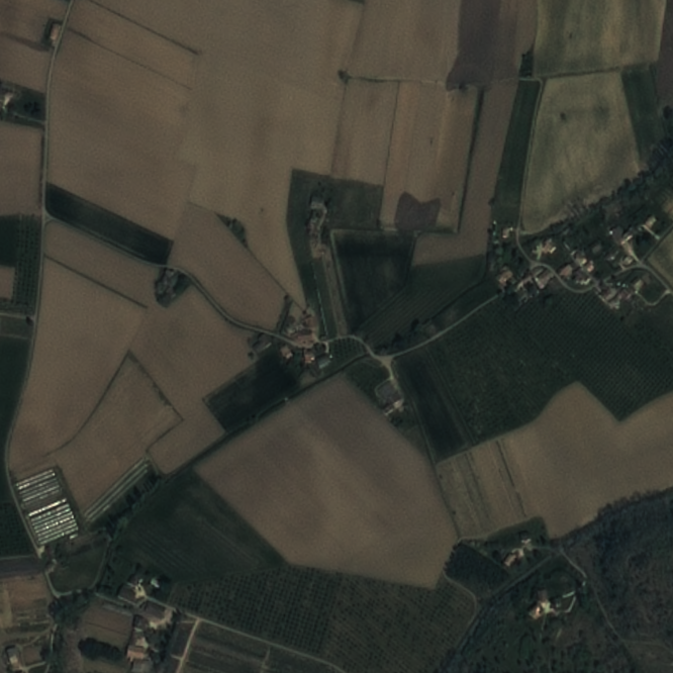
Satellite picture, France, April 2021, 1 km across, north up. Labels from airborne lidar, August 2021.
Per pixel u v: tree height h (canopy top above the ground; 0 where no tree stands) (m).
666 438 0
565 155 0
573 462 0
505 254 13
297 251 0
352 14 0
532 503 0
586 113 0
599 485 0
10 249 0
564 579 0
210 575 0
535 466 0
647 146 0
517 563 11
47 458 0
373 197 0
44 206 0
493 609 9
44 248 0
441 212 0
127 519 9
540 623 0
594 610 21
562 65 0
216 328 0
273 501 0
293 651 0
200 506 0
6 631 0
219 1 0
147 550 0
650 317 0
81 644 0
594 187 0
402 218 0
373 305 0
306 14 0
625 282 0
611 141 0
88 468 0
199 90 0
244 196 0
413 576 0
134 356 0
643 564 10
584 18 0
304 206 0
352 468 0
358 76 0
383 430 0
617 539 14
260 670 8
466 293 0
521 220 0
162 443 0
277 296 0
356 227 0
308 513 0
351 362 0
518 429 0
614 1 0
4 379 0
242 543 0
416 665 0
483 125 0
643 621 9
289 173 0
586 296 5
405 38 0
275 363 0
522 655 6
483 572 8
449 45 0
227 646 7
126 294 0
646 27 0
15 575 0
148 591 0
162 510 0
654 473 0
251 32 0
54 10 0
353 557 0
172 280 13
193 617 0
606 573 12
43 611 0
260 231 0
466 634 0
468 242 0
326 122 0
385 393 0
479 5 0
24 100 0
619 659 15
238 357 0
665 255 0
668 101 0
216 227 0
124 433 0
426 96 0
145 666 0
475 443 0
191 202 0
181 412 0
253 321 0
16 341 0
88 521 0
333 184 0
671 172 32
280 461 0
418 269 0
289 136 0
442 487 0
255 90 0
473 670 7
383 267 0
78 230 0
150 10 0
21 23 0
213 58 0
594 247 0
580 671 8
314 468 0
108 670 0
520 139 0
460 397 0
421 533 0
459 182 0
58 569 0
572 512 0
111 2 0
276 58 0
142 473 0
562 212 0
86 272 0
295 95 0
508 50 0
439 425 0
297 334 0
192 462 0
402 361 0
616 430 0
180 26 0
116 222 0
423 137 0
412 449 0
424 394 0
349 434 0
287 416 0
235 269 0
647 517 20
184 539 0
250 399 0
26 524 0
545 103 0
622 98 0
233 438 0
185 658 0
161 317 0
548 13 0
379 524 0
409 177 0
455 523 0
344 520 0
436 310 0
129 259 0
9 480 0
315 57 0
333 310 0
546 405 0
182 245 0
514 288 8
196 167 0
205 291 0
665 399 0
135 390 0
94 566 0
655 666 0
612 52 0
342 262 0
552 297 7
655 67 0
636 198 23
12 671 8
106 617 0
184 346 0
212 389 0
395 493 0
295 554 0
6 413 0
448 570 8
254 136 0
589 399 0
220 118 0
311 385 0
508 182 0
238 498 0
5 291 0
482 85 0
